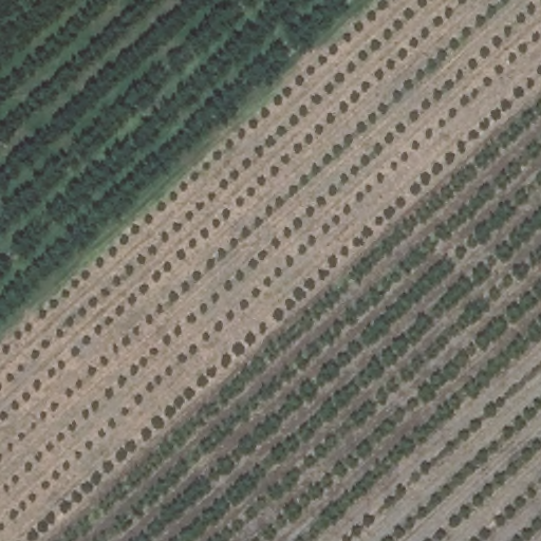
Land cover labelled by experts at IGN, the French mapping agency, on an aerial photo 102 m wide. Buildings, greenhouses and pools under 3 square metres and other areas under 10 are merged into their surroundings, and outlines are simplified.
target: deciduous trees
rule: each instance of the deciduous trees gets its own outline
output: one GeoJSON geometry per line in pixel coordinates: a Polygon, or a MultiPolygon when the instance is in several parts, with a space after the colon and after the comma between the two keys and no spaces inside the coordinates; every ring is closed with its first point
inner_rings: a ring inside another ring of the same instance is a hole
{"type": "Polygon", "coordinates": [[[484,182],[467,205],[461,205],[456,213],[452,213],[448,220],[435,226],[435,235],[440,239],[448,239],[452,230],[467,218],[471,218],[492,197],[497,188],[505,188],[507,182],[520,173],[520,167],[526,165],[530,158],[539,156],[541,152],[541,133],[535,133],[533,142],[526,144],[524,152],[509,161],[492,180],[484,182]]]}
{"type": "Polygon", "coordinates": [[[429,473],[431,467],[444,463],[444,459],[452,454],[452,450],[459,444],[463,444],[473,431],[478,431],[484,421],[495,416],[507,399],[511,399],[520,389],[526,387],[526,383],[541,374],[541,361],[535,363],[501,397],[486,404],[484,412],[471,418],[469,425],[463,427],[450,442],[446,442],[446,446],[433,459],[421,463],[421,467],[410,473],[410,480],[418,482],[425,473],[429,473]]]}
{"type": "Polygon", "coordinates": [[[505,509],[495,518],[497,524],[505,526],[505,522],[509,522],[524,505],[533,503],[537,490],[528,484],[528,488],[520,497],[505,505],[505,509]]]}
{"type": "Polygon", "coordinates": [[[423,363],[433,359],[444,349],[444,344],[452,336],[463,332],[488,309],[484,298],[478,298],[465,306],[461,317],[454,323],[450,323],[425,351],[414,353],[412,361],[402,368],[404,380],[410,380],[423,363]]]}
{"type": "Polygon", "coordinates": [[[507,478],[516,475],[520,467],[524,467],[533,459],[535,452],[541,450],[541,435],[530,440],[518,454],[509,459],[505,469],[497,471],[495,478],[486,482],[473,495],[471,501],[461,505],[461,509],[450,516],[450,522],[444,528],[440,528],[431,541],[452,541],[450,537],[454,528],[492,495],[492,490],[503,486],[507,478]]]}
{"type": "Polygon", "coordinates": [[[349,347],[344,351],[340,351],[334,359],[328,359],[321,366],[315,380],[304,378],[300,383],[300,389],[287,393],[281,408],[273,414],[266,414],[262,423],[249,418],[249,412],[258,408],[262,399],[271,397],[283,385],[283,380],[292,378],[294,372],[290,370],[290,366],[283,366],[273,376],[262,374],[264,359],[258,355],[258,351],[264,349],[271,359],[275,359],[277,353],[285,351],[302,332],[306,332],[313,325],[317,317],[323,315],[325,309],[330,309],[342,294],[347,294],[353,281],[361,281],[361,277],[372,271],[372,266],[383,256],[391,254],[391,249],[412,232],[416,224],[425,222],[431,213],[435,213],[448,199],[452,199],[456,190],[465,186],[465,182],[469,182],[475,175],[480,167],[486,167],[488,161],[492,161],[499,154],[501,148],[514,142],[537,116],[541,116],[541,66],[530,78],[526,78],[522,87],[514,89],[514,95],[509,99],[503,99],[501,106],[486,114],[486,118],[482,118],[480,125],[473,131],[469,131],[469,135],[463,142],[456,142],[459,148],[454,152],[446,152],[444,161],[433,163],[431,169],[421,173],[421,180],[416,180],[410,186],[416,205],[406,203],[404,197],[397,197],[395,203],[391,203],[380,216],[376,216],[376,220],[370,220],[366,228],[361,228],[359,237],[351,239],[344,247],[336,249],[328,258],[325,268],[319,271],[319,279],[306,279],[294,290],[294,296],[285,300],[285,306],[275,309],[273,317],[277,319],[279,332],[273,332],[266,328],[266,323],[260,323],[258,330],[245,334],[245,340],[235,342],[232,351],[222,355],[220,363],[201,372],[197,383],[184,389],[165,408],[165,414],[152,416],[152,423],[142,429],[146,448],[135,446],[135,442],[129,440],[125,442],[125,446],[118,448],[116,454],[110,454],[104,467],[97,469],[91,475],[91,480],[82,482],[82,486],[76,492],[68,492],[63,497],[59,492],[53,492],[49,497],[49,514],[38,522],[38,526],[30,530],[25,541],[279,541],[277,530],[298,520],[302,509],[306,509],[313,499],[321,497],[321,492],[332,486],[332,480],[336,475],[344,475],[347,469],[357,465],[357,461],[363,463],[363,456],[370,454],[372,446],[380,442],[383,435],[391,433],[395,423],[399,423],[402,418],[414,425],[414,433],[404,435],[383,459],[374,463],[372,471],[366,471],[336,501],[330,501],[321,509],[319,518],[311,524],[309,535],[302,541],[325,541],[321,533],[328,526],[336,524],[347,514],[347,509],[359,497],[368,495],[370,488],[383,475],[395,469],[404,456],[408,456],[416,446],[425,444],[435,429],[440,429],[448,418],[452,418],[463,399],[478,397],[480,391],[490,385],[495,376],[501,374],[501,370],[509,368],[511,359],[518,359],[528,351],[530,344],[541,340],[541,313],[537,319],[530,321],[526,330],[518,332],[511,338],[511,342],[505,349],[499,351],[492,340],[497,340],[505,332],[507,323],[518,321],[530,306],[535,306],[541,300],[541,277],[535,281],[530,290],[524,290],[520,294],[518,302],[509,302],[501,315],[492,317],[465,349],[459,349],[450,361],[433,370],[429,383],[423,383],[418,387],[418,393],[414,397],[410,397],[404,406],[397,406],[387,418],[383,418],[370,435],[366,435],[357,444],[357,450],[353,454],[338,459],[321,480],[306,484],[298,480],[298,475],[309,467],[317,465],[349,431],[366,423],[366,418],[376,408],[370,399],[363,402],[357,410],[353,410],[351,416],[338,429],[328,433],[325,442],[315,448],[315,454],[304,459],[300,467],[283,471],[279,467],[279,461],[283,461],[290,452],[296,452],[300,444],[304,444],[319,429],[321,423],[332,421],[342,406],[349,404],[353,395],[359,393],[361,387],[378,378],[387,366],[391,366],[399,355],[404,355],[408,344],[416,342],[435,319],[440,319],[448,309],[452,309],[459,302],[459,298],[471,292],[475,285],[480,285],[499,260],[507,260],[524,241],[530,239],[530,235],[537,228],[541,228],[541,205],[511,230],[509,241],[499,243],[497,249],[484,262],[473,266],[473,275],[461,275],[456,283],[452,283],[446,290],[446,294],[427,313],[416,315],[416,321],[404,334],[395,336],[393,342],[385,347],[380,353],[372,355],[370,361],[357,372],[357,376],[351,383],[328,395],[321,408],[300,425],[298,431],[277,442],[264,461],[256,463],[247,473],[241,473],[226,488],[216,486],[213,480],[228,473],[243,454],[254,452],[256,444],[275,433],[290,412],[298,410],[302,402],[313,399],[319,387],[332,380],[338,374],[338,370],[347,366],[363,347],[378,340],[393,321],[397,321],[414,302],[418,302],[435,283],[440,283],[454,268],[454,264],[448,258],[440,258],[406,292],[397,296],[393,304],[385,309],[383,315],[378,315],[372,323],[366,323],[357,340],[349,340],[349,347]]]}
{"type": "Polygon", "coordinates": [[[175,201],[182,190],[186,190],[188,184],[205,175],[211,165],[218,163],[218,158],[224,161],[232,152],[232,131],[239,137],[245,137],[243,125],[256,127],[262,118],[266,118],[268,104],[281,104],[281,99],[285,99],[292,93],[287,87],[290,82],[296,80],[296,85],[302,85],[311,74],[315,74],[317,68],[321,68],[338,51],[340,42],[351,40],[357,32],[361,32],[361,17],[368,17],[372,21],[376,13],[387,8],[391,0],[0,0],[0,338],[4,336],[4,332],[8,336],[21,338],[23,334],[32,332],[32,323],[38,317],[42,319],[51,309],[55,309],[70,296],[70,292],[82,279],[89,279],[89,264],[104,266],[104,254],[114,256],[118,249],[123,249],[127,241],[131,241],[146,224],[152,222],[152,216],[156,211],[163,211],[167,203],[175,201]]]}
{"type": "Polygon", "coordinates": [[[514,264],[516,277],[522,279],[528,273],[528,268],[541,262],[541,243],[530,251],[530,264],[514,264]]]}
{"type": "Polygon", "coordinates": [[[328,154],[323,154],[323,163],[330,165],[338,161],[342,152],[351,148],[353,139],[368,131],[363,123],[357,123],[357,127],[344,135],[340,144],[336,144],[328,154]]]}
{"type": "Polygon", "coordinates": [[[456,473],[452,473],[452,478],[429,497],[425,505],[410,514],[402,524],[397,524],[385,541],[408,541],[404,535],[414,526],[414,522],[429,516],[448,495],[452,495],[456,486],[465,482],[465,478],[469,478],[480,465],[488,461],[490,454],[499,450],[497,442],[492,440],[488,446],[480,448],[478,454],[471,461],[467,461],[456,473]]]}
{"type": "Polygon", "coordinates": [[[361,537],[361,530],[374,522],[374,518],[368,514],[359,524],[351,528],[351,535],[344,541],[366,541],[361,537]]]}
{"type": "Polygon", "coordinates": [[[526,203],[526,190],[518,188],[514,194],[509,194],[505,201],[497,205],[497,209],[486,220],[475,224],[475,235],[469,235],[469,243],[473,247],[484,243],[495,228],[501,228],[503,222],[516,213],[520,205],[526,203]]]}
{"type": "Polygon", "coordinates": [[[514,541],[541,541],[541,511],[530,520],[526,528],[522,528],[522,533],[514,541]]]}
{"type": "Polygon", "coordinates": [[[368,306],[376,304],[387,294],[391,283],[395,283],[404,273],[410,273],[412,266],[416,266],[429,254],[435,251],[435,245],[429,239],[423,239],[406,254],[406,258],[402,258],[393,266],[389,275],[374,281],[372,287],[368,287],[355,300],[355,304],[347,306],[342,317],[330,321],[317,338],[313,338],[306,344],[309,355],[302,357],[302,353],[296,353],[296,361],[300,368],[304,368],[321,351],[323,344],[334,342],[334,338],[340,336],[340,330],[344,325],[353,323],[368,306]]]}
{"type": "Polygon", "coordinates": [[[488,4],[488,8],[475,17],[475,23],[480,27],[484,27],[499,11],[503,11],[509,4],[509,0],[499,0],[495,4],[488,4]]]}
{"type": "Polygon", "coordinates": [[[385,404],[387,397],[395,393],[399,387],[391,376],[385,387],[376,391],[380,404],[385,404]]]}
{"type": "Polygon", "coordinates": [[[514,418],[511,425],[503,427],[503,435],[509,440],[514,433],[522,431],[526,423],[533,421],[541,410],[541,395],[535,397],[535,402],[526,406],[514,418]]]}
{"type": "Polygon", "coordinates": [[[260,218],[254,218],[251,224],[243,226],[239,237],[228,241],[230,247],[237,249],[239,243],[243,243],[254,230],[262,226],[260,218]]]}
{"type": "Polygon", "coordinates": [[[427,61],[425,68],[416,70],[416,76],[404,80],[404,87],[393,91],[393,99],[397,104],[427,76],[431,76],[452,51],[467,44],[471,32],[469,27],[463,27],[456,38],[437,49],[435,57],[427,61]]]}

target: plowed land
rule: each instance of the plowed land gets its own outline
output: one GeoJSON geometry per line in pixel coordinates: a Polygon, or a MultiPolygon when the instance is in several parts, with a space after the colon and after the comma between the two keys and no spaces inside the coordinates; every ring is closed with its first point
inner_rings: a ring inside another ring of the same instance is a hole
{"type": "Polygon", "coordinates": [[[397,197],[404,197],[406,203],[416,205],[410,186],[416,180],[421,180],[421,173],[431,169],[433,163],[444,161],[446,152],[454,152],[459,148],[456,142],[463,142],[469,135],[469,131],[473,131],[480,125],[482,118],[486,118],[486,114],[501,106],[503,99],[509,99],[514,95],[514,89],[522,87],[526,78],[530,78],[541,66],[541,0],[509,0],[509,4],[503,11],[499,11],[484,27],[480,27],[475,23],[475,17],[488,8],[488,4],[495,4],[499,0],[391,0],[387,8],[376,13],[372,21],[368,17],[361,17],[361,32],[357,32],[351,40],[340,42],[338,51],[321,68],[317,68],[315,74],[311,74],[302,85],[296,85],[296,80],[290,82],[287,87],[292,93],[285,99],[281,99],[281,104],[268,104],[266,118],[262,118],[256,127],[243,125],[245,137],[239,137],[232,131],[232,152],[224,161],[218,158],[218,163],[211,165],[205,175],[188,184],[186,190],[182,190],[175,201],[167,203],[163,211],[156,211],[152,216],[152,222],[146,224],[131,241],[127,241],[123,249],[118,249],[114,256],[104,254],[104,266],[89,264],[89,279],[82,279],[70,292],[70,296],[55,309],[51,309],[42,319],[38,317],[32,323],[32,332],[23,334],[21,338],[8,336],[4,332],[4,336],[0,338],[0,541],[25,541],[30,530],[38,526],[38,522],[49,514],[49,497],[53,492],[59,492],[63,497],[68,492],[76,492],[82,486],[82,482],[91,480],[91,475],[97,469],[104,467],[110,454],[116,454],[118,448],[125,446],[125,442],[129,440],[135,442],[135,446],[146,448],[142,429],[152,423],[152,416],[165,414],[165,408],[184,389],[197,383],[201,372],[220,363],[222,355],[232,351],[235,342],[245,340],[245,334],[258,330],[260,323],[266,323],[266,328],[273,332],[279,332],[277,319],[273,317],[275,309],[285,306],[285,300],[294,296],[294,290],[306,279],[319,279],[319,271],[325,268],[328,258],[336,249],[344,247],[351,239],[359,237],[361,228],[366,228],[370,220],[376,220],[376,216],[380,216],[391,203],[395,203],[397,197]],[[452,51],[431,76],[427,76],[397,104],[393,99],[393,91],[404,87],[404,80],[416,76],[416,70],[425,68],[427,61],[435,57],[437,49],[456,38],[463,27],[469,27],[471,32],[467,44],[452,51]],[[342,152],[338,161],[330,165],[323,163],[323,154],[328,154],[336,144],[340,144],[344,135],[357,127],[357,123],[363,123],[368,131],[353,139],[351,148],[342,152]],[[228,241],[239,237],[243,226],[251,224],[254,218],[260,218],[262,226],[254,230],[243,243],[239,243],[237,249],[230,247],[228,241]]]}
{"type": "Polygon", "coordinates": [[[518,321],[507,323],[505,332],[497,340],[492,340],[499,351],[505,349],[511,342],[511,338],[518,332],[526,330],[530,321],[537,319],[541,313],[541,300],[535,306],[530,306],[518,321]]]}
{"type": "Polygon", "coordinates": [[[429,516],[414,522],[414,526],[404,535],[408,541],[431,541],[440,528],[444,528],[450,522],[450,516],[461,509],[461,505],[471,501],[473,495],[486,482],[495,478],[497,471],[505,469],[509,459],[518,454],[530,440],[541,435],[541,410],[533,421],[526,423],[522,431],[514,433],[509,440],[503,435],[503,427],[511,425],[514,418],[526,406],[535,402],[535,397],[541,395],[541,374],[526,383],[526,387],[520,389],[511,399],[507,399],[495,416],[484,421],[478,431],[473,431],[463,444],[459,444],[452,450],[452,454],[444,459],[444,463],[431,467],[429,473],[425,473],[418,482],[410,480],[410,473],[421,467],[421,463],[433,459],[446,446],[446,442],[450,442],[463,427],[469,425],[471,418],[484,412],[486,404],[501,397],[535,363],[541,361],[541,340],[530,344],[528,351],[518,359],[511,359],[509,368],[501,370],[501,374],[495,376],[490,385],[480,391],[478,397],[463,399],[452,418],[448,418],[440,429],[435,429],[425,444],[416,446],[408,456],[404,456],[395,469],[383,475],[370,488],[368,495],[359,497],[347,509],[347,514],[336,524],[328,526],[321,533],[325,541],[344,541],[351,535],[351,528],[359,524],[368,514],[374,518],[374,522],[361,530],[361,537],[366,541],[385,541],[397,524],[402,524],[410,514],[425,505],[429,497],[452,478],[452,473],[456,473],[467,461],[471,461],[478,454],[480,448],[488,446],[492,440],[497,442],[499,450],[490,454],[488,461],[480,465],[469,478],[465,478],[465,482],[456,486],[452,495],[448,495],[429,516]]]}
{"type": "Polygon", "coordinates": [[[509,241],[511,230],[541,205],[541,152],[539,156],[530,158],[526,165],[520,167],[520,173],[507,182],[505,188],[497,188],[492,197],[471,218],[467,218],[452,230],[448,239],[440,239],[435,235],[435,226],[448,220],[452,213],[456,213],[461,205],[467,205],[484,182],[492,180],[509,161],[524,152],[526,144],[533,142],[535,133],[541,133],[541,116],[537,116],[514,142],[501,148],[499,154],[492,161],[488,161],[486,167],[480,167],[475,175],[469,182],[465,182],[465,186],[456,190],[452,199],[448,199],[435,213],[431,213],[425,222],[416,224],[412,232],[391,249],[391,254],[383,256],[372,266],[372,271],[361,277],[361,281],[353,281],[347,294],[342,294],[330,309],[325,309],[323,315],[317,317],[313,325],[306,332],[302,332],[285,351],[277,353],[275,359],[271,359],[264,349],[258,351],[258,355],[264,359],[262,374],[273,376],[283,366],[290,366],[290,370],[294,372],[292,378],[283,380],[283,385],[271,397],[262,399],[258,408],[249,412],[249,418],[262,423],[266,414],[273,414],[281,408],[287,393],[300,389],[300,383],[304,378],[315,380],[321,366],[328,359],[334,359],[340,351],[344,351],[349,347],[349,340],[357,340],[366,323],[372,323],[378,315],[383,315],[385,309],[393,304],[397,296],[406,292],[440,258],[448,258],[454,264],[454,268],[440,283],[435,283],[418,302],[414,302],[397,321],[393,321],[378,340],[363,347],[347,366],[338,370],[338,374],[332,380],[319,387],[313,399],[302,402],[298,410],[290,412],[275,433],[256,444],[254,452],[243,454],[228,473],[213,480],[216,486],[226,488],[241,473],[247,473],[256,463],[264,461],[277,442],[298,431],[300,425],[321,408],[328,395],[351,383],[357,376],[357,372],[370,361],[372,355],[380,353],[385,347],[393,342],[395,336],[404,334],[416,321],[416,315],[427,313],[446,294],[446,290],[452,283],[456,283],[461,275],[473,275],[473,266],[484,262],[497,249],[499,243],[509,241]],[[469,243],[469,235],[475,235],[475,224],[486,220],[497,209],[497,205],[505,201],[509,194],[514,194],[518,188],[526,190],[526,203],[520,205],[516,213],[503,222],[501,228],[495,228],[484,243],[473,247],[469,243]],[[340,336],[334,338],[334,342],[323,344],[321,351],[304,368],[300,368],[296,361],[296,353],[302,353],[302,357],[309,355],[306,344],[313,338],[317,338],[330,321],[342,317],[347,306],[355,304],[355,300],[368,287],[372,287],[374,281],[389,275],[393,266],[402,258],[406,258],[406,254],[423,239],[429,239],[435,245],[435,251],[429,254],[416,266],[412,266],[410,273],[404,273],[395,283],[391,283],[387,294],[376,304],[368,306],[353,323],[344,325],[340,330],[340,336]]]}
{"type": "Polygon", "coordinates": [[[374,463],[383,459],[404,435],[414,433],[414,425],[402,418],[399,423],[395,423],[391,433],[383,435],[380,442],[372,446],[370,454],[363,456],[363,463],[357,461],[357,465],[347,469],[344,475],[336,475],[332,480],[332,486],[321,492],[321,497],[313,499],[306,509],[302,509],[298,520],[277,530],[279,541],[302,541],[309,535],[311,524],[319,518],[321,509],[330,501],[336,501],[366,471],[372,471],[374,463]]]}
{"type": "Polygon", "coordinates": [[[528,273],[522,279],[516,277],[514,264],[530,264],[530,251],[541,243],[541,228],[537,228],[530,235],[530,239],[524,241],[507,260],[499,260],[480,285],[475,285],[471,292],[459,298],[459,302],[452,309],[448,309],[440,319],[435,319],[416,342],[408,344],[404,355],[399,355],[391,366],[387,366],[378,378],[361,387],[359,393],[353,395],[349,404],[342,406],[332,421],[321,423],[319,429],[304,444],[300,444],[296,452],[290,452],[283,461],[279,461],[279,467],[283,471],[300,467],[304,459],[315,454],[315,448],[325,442],[328,433],[338,429],[351,416],[353,410],[357,410],[363,402],[370,399],[376,408],[366,418],[366,423],[349,431],[317,465],[309,467],[298,475],[298,480],[306,484],[321,480],[338,459],[353,454],[357,450],[357,444],[366,435],[370,435],[383,418],[387,418],[397,406],[404,406],[410,397],[414,397],[418,393],[418,387],[423,383],[429,383],[433,370],[450,361],[459,349],[465,349],[492,317],[501,315],[509,302],[518,302],[520,294],[524,290],[530,290],[535,281],[541,277],[541,262],[528,268],[528,273]],[[484,298],[488,309],[463,332],[452,336],[444,344],[444,349],[433,359],[423,363],[410,380],[404,380],[402,368],[412,361],[414,353],[425,351],[450,323],[454,323],[461,317],[465,306],[478,298],[484,298]],[[391,376],[399,387],[395,393],[387,397],[385,404],[380,404],[376,391],[385,387],[391,376]]]}
{"type": "Polygon", "coordinates": [[[530,520],[541,511],[541,450],[535,452],[533,459],[524,467],[520,467],[516,475],[507,478],[503,486],[492,490],[492,495],[454,528],[450,537],[452,541],[514,541],[522,533],[522,528],[526,528],[530,520]],[[505,509],[505,505],[520,497],[528,488],[528,484],[537,490],[533,503],[524,505],[509,522],[505,522],[505,526],[497,524],[495,518],[505,509]]]}

